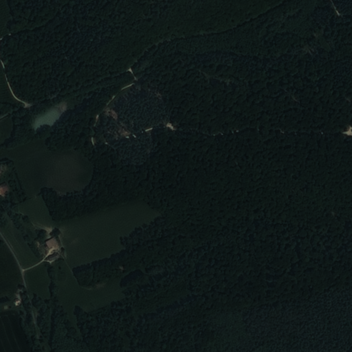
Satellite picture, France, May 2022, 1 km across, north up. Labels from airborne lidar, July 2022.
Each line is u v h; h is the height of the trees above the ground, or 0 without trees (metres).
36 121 0
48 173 0
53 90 22
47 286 0
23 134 26
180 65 30
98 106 29
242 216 25
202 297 25
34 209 0
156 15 28
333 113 28
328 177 25
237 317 17
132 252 29
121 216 0
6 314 0
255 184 24
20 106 6
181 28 31
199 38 17
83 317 28
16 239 0
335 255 31
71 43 21
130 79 18
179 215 26
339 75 15
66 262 0
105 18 22
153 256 33
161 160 29
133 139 27
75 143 28
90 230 0
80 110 30
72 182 0
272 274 35
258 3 31
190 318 27
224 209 31
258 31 19
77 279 23
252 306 21
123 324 8
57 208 25
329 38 25
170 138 28
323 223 30
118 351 17
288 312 28
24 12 28
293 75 10
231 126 27
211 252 28
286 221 24
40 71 28
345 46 33
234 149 26
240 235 23
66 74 25
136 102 26
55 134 25
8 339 0
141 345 24
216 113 32
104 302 0
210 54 28
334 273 32
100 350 34
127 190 28
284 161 26
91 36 22
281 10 18
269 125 26
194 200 27
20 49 27
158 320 25
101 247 0
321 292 22
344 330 21
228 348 21
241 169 26
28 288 0
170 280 28
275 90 24
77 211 25
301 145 26
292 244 36
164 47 16
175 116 28
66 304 0
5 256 0
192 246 27
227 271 32
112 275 28
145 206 0
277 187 24
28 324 24
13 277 0
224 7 31
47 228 0
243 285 34
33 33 19
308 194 23
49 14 29
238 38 20
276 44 27
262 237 31
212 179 27
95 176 21
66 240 0
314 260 21
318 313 20
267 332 25
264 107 30
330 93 27
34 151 0
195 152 27
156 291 30
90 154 24
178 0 22
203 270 34
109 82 22
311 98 29
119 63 26
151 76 20
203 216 26
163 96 16
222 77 26
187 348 23
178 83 26
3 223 22
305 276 33
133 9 23
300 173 27
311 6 22
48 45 21
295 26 17
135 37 26
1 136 0
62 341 28
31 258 0
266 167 26
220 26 27
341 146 26
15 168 8
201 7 24
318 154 28
